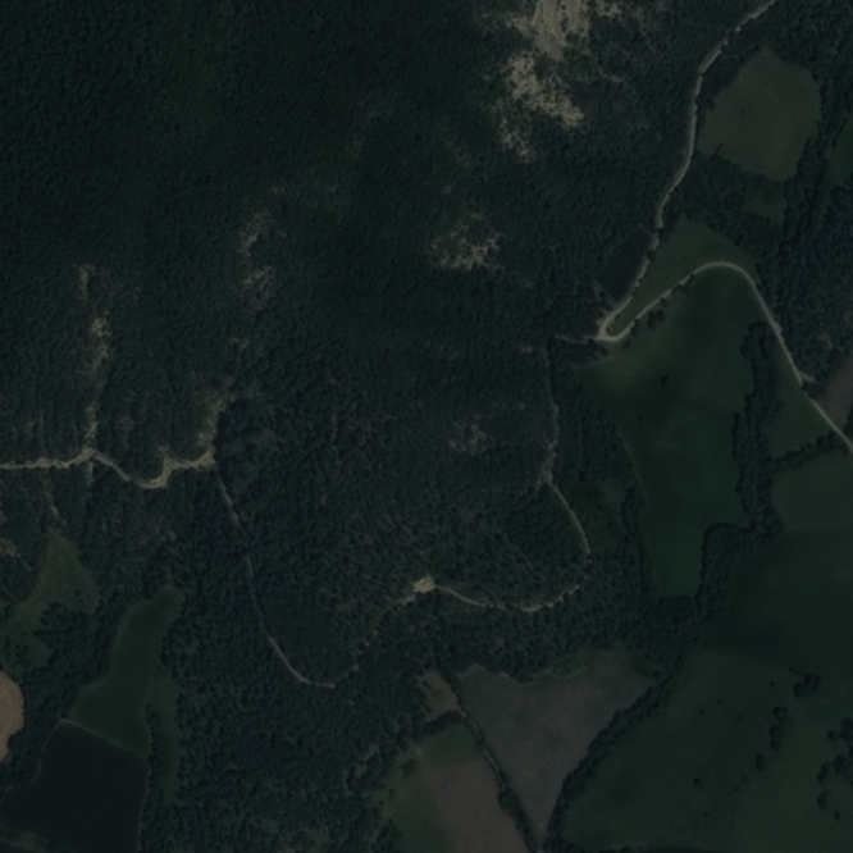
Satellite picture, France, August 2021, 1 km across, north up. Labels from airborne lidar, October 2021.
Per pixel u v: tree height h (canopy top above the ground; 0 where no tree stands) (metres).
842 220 27
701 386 0
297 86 18
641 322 11
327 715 15
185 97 7
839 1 14
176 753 0
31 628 0
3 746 0
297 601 22
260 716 13
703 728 0
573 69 9
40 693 16
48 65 22
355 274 27
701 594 11
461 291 22
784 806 0
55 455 12
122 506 22
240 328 10
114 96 24
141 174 13
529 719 0
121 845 0
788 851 0
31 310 14
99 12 30
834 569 0
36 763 12
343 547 25
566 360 18
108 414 21
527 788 0
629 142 8
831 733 11
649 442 0
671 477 0
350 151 10
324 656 14
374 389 22
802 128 0
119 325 10
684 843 0
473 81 10
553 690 0
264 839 11
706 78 13
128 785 0
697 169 8
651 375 0
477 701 0
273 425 16
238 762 20
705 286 0
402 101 14
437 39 17
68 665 14
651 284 0
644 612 10
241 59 14
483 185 13
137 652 0
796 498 0
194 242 12
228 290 9
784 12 15
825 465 0
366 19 22
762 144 0
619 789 0
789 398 0
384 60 21
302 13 26
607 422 11
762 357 14
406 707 20
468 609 9
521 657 23
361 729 19
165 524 12
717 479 0
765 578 0
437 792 0
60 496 18
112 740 0
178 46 7
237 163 13
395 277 25
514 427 20
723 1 9
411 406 22
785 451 0
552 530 13
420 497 20
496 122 6
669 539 0
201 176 12
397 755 16
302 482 19
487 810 0
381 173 21
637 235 9
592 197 13
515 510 25
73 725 0
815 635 0
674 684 7
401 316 21
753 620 0
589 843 0
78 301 11
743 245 24
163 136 12
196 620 9
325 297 20
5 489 9
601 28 8
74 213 14
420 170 13
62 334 15
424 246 10
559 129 10
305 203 10
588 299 16
